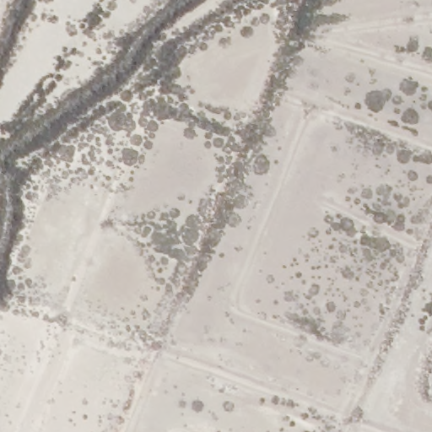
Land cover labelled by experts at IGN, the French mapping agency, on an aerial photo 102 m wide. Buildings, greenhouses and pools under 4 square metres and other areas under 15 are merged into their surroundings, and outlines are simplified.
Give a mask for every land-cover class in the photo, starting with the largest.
<instances>
[{"label":"pervious surface","instance_id":"1","mask_svg":"<svg viewBox=\"0 0 432 432\"><path fill-rule=\"evenodd\" d=\"M155 3L154 0H118L110 17L101 20L100 25L93 30L96 39L93 40L84 35L81 29V20L93 10V3L89 0H37L34 10L25 20L24 29L19 32L13 56L10 57V67L3 76V83L0 86V123L12 120L19 106L29 96L44 74L54 73L57 56H61L62 47H74L83 54L69 57L71 66L62 71V79L56 89L46 96V100L54 108L57 101L61 100L62 94L83 86L88 79L93 78L96 69L108 66L113 61L116 52L120 51V46L116 42L128 32V24L143 19V8L150 10ZM219 3L216 0H202L194 10L182 15L181 19L175 22L154 42L155 47L162 49V46L184 32L189 25L202 19L209 12L218 10ZM278 0H267L262 8H256L248 15H243L238 24L223 27L221 32L214 34L213 39L208 40L206 51H196L184 57L179 64L181 76L175 79V84L179 86L194 88V94L187 98L189 110L194 115L199 113L208 120L218 121L223 127H228L236 143L243 142L236 130H243L246 123L255 120L253 111L262 108L260 96L270 78V67L275 62V52L280 49L273 34L277 27L268 24L256 25L248 37L241 35V29L248 27L251 20L263 13L277 19L278 10L275 3ZM316 13H343L348 20L339 24L319 25L314 30V40L317 46L326 47V54H319L309 47H304L300 51L302 62L295 66L290 78L287 79V91L282 96L280 106L270 111L275 132L272 137L263 138V154L267 155L268 160L277 159L278 165L268 167L267 174H245L246 184L253 187V197L245 202V208L233 209L235 214L240 216L241 223L236 226H224L223 236L218 245L214 246L216 250L224 253V258L211 255L208 267L202 270L199 285L189 302L177 299V294L184 287V280L189 277L194 263L184 262L179 270L177 283L172 282L170 275L174 272L177 260L167 253L155 251L154 240L150 236L135 233L133 226H127V221H133L137 214L148 213L154 209H160L162 213L179 209L175 226L182 228L187 216L194 214L199 221L196 243L202 245L209 224L216 223V196L218 192H223L224 186L228 184V179L218 182L216 167H235L238 154L229 150L226 135L213 133L211 137L204 138V130L196 127V137L187 138L184 135L186 121L175 120H164L155 132L152 148H145L132 142L133 137L137 135L135 130H113L110 121L103 116L94 120L84 132H79L78 137L71 138L69 142L74 148L73 162H59L54 157H51L52 165L40 167L30 177L20 192V199L24 204V226L19 231V241L13 246L8 265L7 278L13 282L12 297H8L7 307L0 309V432H432V400L425 402L420 393V376L424 370L425 358L432 349V336L418 329V321L422 317L425 305L429 304L432 297V165L420 162L400 164L397 155L386 152L385 148L380 155L368 152L364 148L351 150L346 142L348 130H336L334 121H346L378 130L393 142L402 140L407 143L408 150L418 148L422 154H432V0H327L321 8H317ZM381 89H390L391 94L402 98L400 105H393V110L400 108L398 115L393 111H386L385 108L381 111H371L368 106L361 110L354 108L356 103L366 100V94L370 91ZM408 108L418 113L417 135L405 132L402 128L391 127L388 123L390 120L397 121L400 116L403 118ZM380 186H391L388 196L391 211L405 216V226L412 229V235L397 231L391 228L390 224L375 223L371 214L364 213L356 204L346 202L349 187L378 189ZM326 214H343L344 218L353 219L354 228L366 226V235L390 241L388 250L380 251L375 250L373 246L361 245V233L346 235L344 231H334L331 235H326L329 226L324 223ZM424 240L430 243L422 270L424 280L418 283L417 289L410 295L412 304L408 309L407 319L397 336L393 337L388 359L383 363L380 375L376 376L375 385L370 388L366 386L368 373L375 364L380 344L385 341L390 322L397 317L408 277L417 262V251ZM327 302H334L337 309L349 310L348 316L344 319V326L349 327L348 332L344 334V343L332 344L321 341L314 334L302 331L297 324H292L287 319V314L309 317L316 321L317 326L324 327V331L332 332L336 316L332 312H327ZM115 101L118 103L125 106V111L133 116V121L140 120V113L143 110V101L138 98V94H133L132 100L127 101L115 93L101 101V106H108Z\"/></svg>","mask_w":432,"mask_h":432},{"label":"brushwood","instance_id":"2","mask_svg":"<svg viewBox=\"0 0 432 432\"><path fill-rule=\"evenodd\" d=\"M37 0H0V86L3 83V76L10 67V57L13 56L19 32L24 29L25 20L34 10ZM219 3L218 10L209 12L202 19L189 25L184 32L162 46V49L155 47L154 42L175 22L170 13L159 10L155 17L147 20L145 24L138 25L135 32H128L116 42L120 46V51L116 52L113 61L108 66L96 69L93 78L88 79L83 86L62 94L61 100L57 101L54 108L46 100V96L39 94V100L34 101L29 96L19 106L12 120L0 123V236L5 206H12L8 240L0 258V309L7 307L8 297H12L13 282L7 278L8 265L13 246L19 241V231L24 226V204L20 199V192L30 177L25 174L24 169L17 167V159L30 154L32 150H37L46 142L49 145L59 143V152L54 154V157L59 162H73L74 148L69 142L71 138L62 132L67 123L78 120V116L88 110L89 106L101 101L115 93L127 101L132 100L133 94H138V98L143 101V110L140 113V120L133 121V116L125 111V106L118 103L115 110L108 111L103 116L110 121L113 130H135L137 135L133 137L132 142L145 148H152L155 132L164 120H175L186 121L184 135L187 138L196 137V127L204 130V138L211 137L213 133L226 135L229 150L238 154L235 167H216L218 182L228 179V184L224 186L223 192H218L216 196V223L209 224L202 245L196 243L199 221L194 214L187 216L182 228L175 226L179 209L162 213L160 209H154L148 213L137 214L133 221H127V226H133L135 233L150 236L154 240L155 251L167 253L177 260L174 272L170 275L172 282L177 283L179 270L184 262L194 263L189 277L184 280V287L177 294V299L189 302L199 285L202 270L208 267L211 255L224 258V253L216 250L214 246L218 245L223 236L224 226H236L241 223L240 216L235 214L233 209L245 208V202L253 197V187L246 184L245 174H267L268 167L278 165L277 159L268 160L267 155L263 154V138L272 137L275 132L270 111L280 106L282 96L287 91V79L290 78L295 66L302 62L300 51L304 47H309L319 54H326V47L317 46L314 40V30L319 25L339 24L348 20L343 13H316L317 8H321L327 0H278L275 3L278 10L277 19L263 13L251 20L248 27L241 29V35L248 37L256 25L268 24L277 27L273 34L280 49L275 52V62L270 67V78L260 96L262 108L253 111L255 120L246 123L243 130H236L243 142L236 143L228 127H223L218 121L208 120L199 113L194 115L189 110L187 98L194 94V88L179 86L175 84V79L181 76L179 64L184 57L196 51H206L208 40L213 39L214 34L221 32L223 27L238 24L243 15H248L256 8H262L267 0H216ZM402 98L391 94L390 89H381L370 91L366 94V100L356 103L354 108L361 110L368 106L371 111H381L385 108L386 111H393L398 115L400 108L393 110V105H400ZM418 113L408 108L403 118L400 116L397 121L390 120L388 123L391 127L402 128L405 132L417 135ZM336 130H348L346 142L351 150L364 148L368 152L380 155L385 148L386 152L397 155L400 164L420 162L432 165V154H422L418 148L408 150L407 143L402 140L393 142L378 130L346 121H334ZM391 186H380L378 189L349 187L346 202L356 204L364 213L371 214L375 223L390 224L391 228L397 231L412 235V229L405 226V216L391 211L388 196ZM324 223L329 226L326 235H331L334 231H344L346 235L361 233V245L373 246L375 250L380 251L388 250L390 241L366 235V226L354 228L353 219L344 218L343 214H326ZM430 243L424 240L417 251V262L408 277L397 317L390 322L385 341L380 344L375 364L368 373L366 386L370 388L375 385L376 376L380 375L383 363L388 359L393 337L397 336L407 319L408 309L412 304L410 295L417 289L418 283L424 280L422 270ZM418 329L432 336V297L429 304L425 305L422 317L418 321ZM327 312H332L336 316L332 332L324 331V327L317 326L316 321L309 317L287 314V319L292 324H297L302 331L314 334L321 341L332 344L344 343V334L348 332L349 327L344 326V319L348 316L349 310L337 309L334 302H327ZM420 393L425 402L432 400V349L425 358L424 370L420 376Z\"/></svg>","mask_w":432,"mask_h":432},{"label":"herbaceous vegetation","instance_id":"3","mask_svg":"<svg viewBox=\"0 0 432 432\"><path fill-rule=\"evenodd\" d=\"M93 3V10L81 20V29L84 35L93 40L96 39L93 30L100 25L101 20L110 17L118 0H89ZM155 3L150 10L143 8V19L128 24V32H135L138 25L145 24L147 20L155 17L159 10L170 13L175 22L181 19L182 15L194 10L202 0H154ZM83 54L74 47H62L61 56H57L54 73L44 74L29 96L34 101L39 100V94L46 96L56 89L62 79V71L71 66L69 57ZM118 103L115 101L108 106H101V101L89 106L88 110L78 116V120L67 123L62 132L71 138L78 137L79 132H84L94 120L103 116L108 111L115 110ZM59 152V143L49 145L46 142L37 150H32L30 154L17 159V167L24 169L25 174L30 177L40 167L52 165L51 157H54V154ZM12 206H5L0 236V258L8 240Z\"/></svg>","mask_w":432,"mask_h":432}]
</instances>
